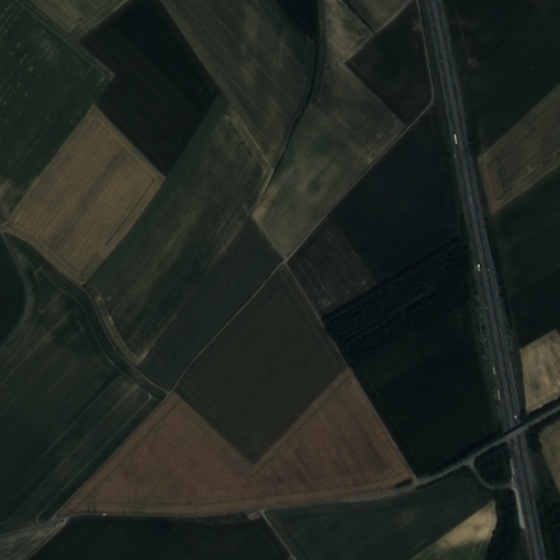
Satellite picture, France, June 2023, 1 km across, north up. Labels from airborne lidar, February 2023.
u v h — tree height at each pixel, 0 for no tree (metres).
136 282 0
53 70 0
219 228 0
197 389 0
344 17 0
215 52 0
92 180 0
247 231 0
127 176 0
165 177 0
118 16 0
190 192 0
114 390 0
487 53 0
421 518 0
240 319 0
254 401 0
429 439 0
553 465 0
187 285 0
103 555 0
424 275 11
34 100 0
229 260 0
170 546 0
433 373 0
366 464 0
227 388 0
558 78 0
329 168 0
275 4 0
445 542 0
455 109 0
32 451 0
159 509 0
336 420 0
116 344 0
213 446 0
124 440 0
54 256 0
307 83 0
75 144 0
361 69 0
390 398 0
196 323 0
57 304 0
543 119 0
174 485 0
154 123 0
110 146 0
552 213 0
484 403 0
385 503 0
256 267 0
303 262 0
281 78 0
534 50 0
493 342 0
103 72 0
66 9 0
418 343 0
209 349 0
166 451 0
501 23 0
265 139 0
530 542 0
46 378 0
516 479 0
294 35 0
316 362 0
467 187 0
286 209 0
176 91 0
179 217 0
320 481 0
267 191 0
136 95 0
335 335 12
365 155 0
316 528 0
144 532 0
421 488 9
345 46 0
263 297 0
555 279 0
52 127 0
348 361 9
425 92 0
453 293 13
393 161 0
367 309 10
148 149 0
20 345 0
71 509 0
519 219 0
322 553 0
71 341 0
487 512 0
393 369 0
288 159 0
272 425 0
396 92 0
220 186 0
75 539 0
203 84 0
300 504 0
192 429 0
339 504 0
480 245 0
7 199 0
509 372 0
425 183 0
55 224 0
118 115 0
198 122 0
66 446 0
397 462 0
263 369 0
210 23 0
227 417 0
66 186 0
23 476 0
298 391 0
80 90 0
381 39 0
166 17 0
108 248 0
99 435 0
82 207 0
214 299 0
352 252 0
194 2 0
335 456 0
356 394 0
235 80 0
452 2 0
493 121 0
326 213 0
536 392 0
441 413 0
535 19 0
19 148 0
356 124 0
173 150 0
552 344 0
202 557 0
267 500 0
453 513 0
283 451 0
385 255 0
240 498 0
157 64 0
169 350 0
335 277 0
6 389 0
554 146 0
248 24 0
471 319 0
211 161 0
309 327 0
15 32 0
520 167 0
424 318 14
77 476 0
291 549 0
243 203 0
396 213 0
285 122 0
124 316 0
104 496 0
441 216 0
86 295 0
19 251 0
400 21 0
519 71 0
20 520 0
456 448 0
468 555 0
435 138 0
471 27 0
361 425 0
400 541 0
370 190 0
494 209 0
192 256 0
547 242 0
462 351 0
